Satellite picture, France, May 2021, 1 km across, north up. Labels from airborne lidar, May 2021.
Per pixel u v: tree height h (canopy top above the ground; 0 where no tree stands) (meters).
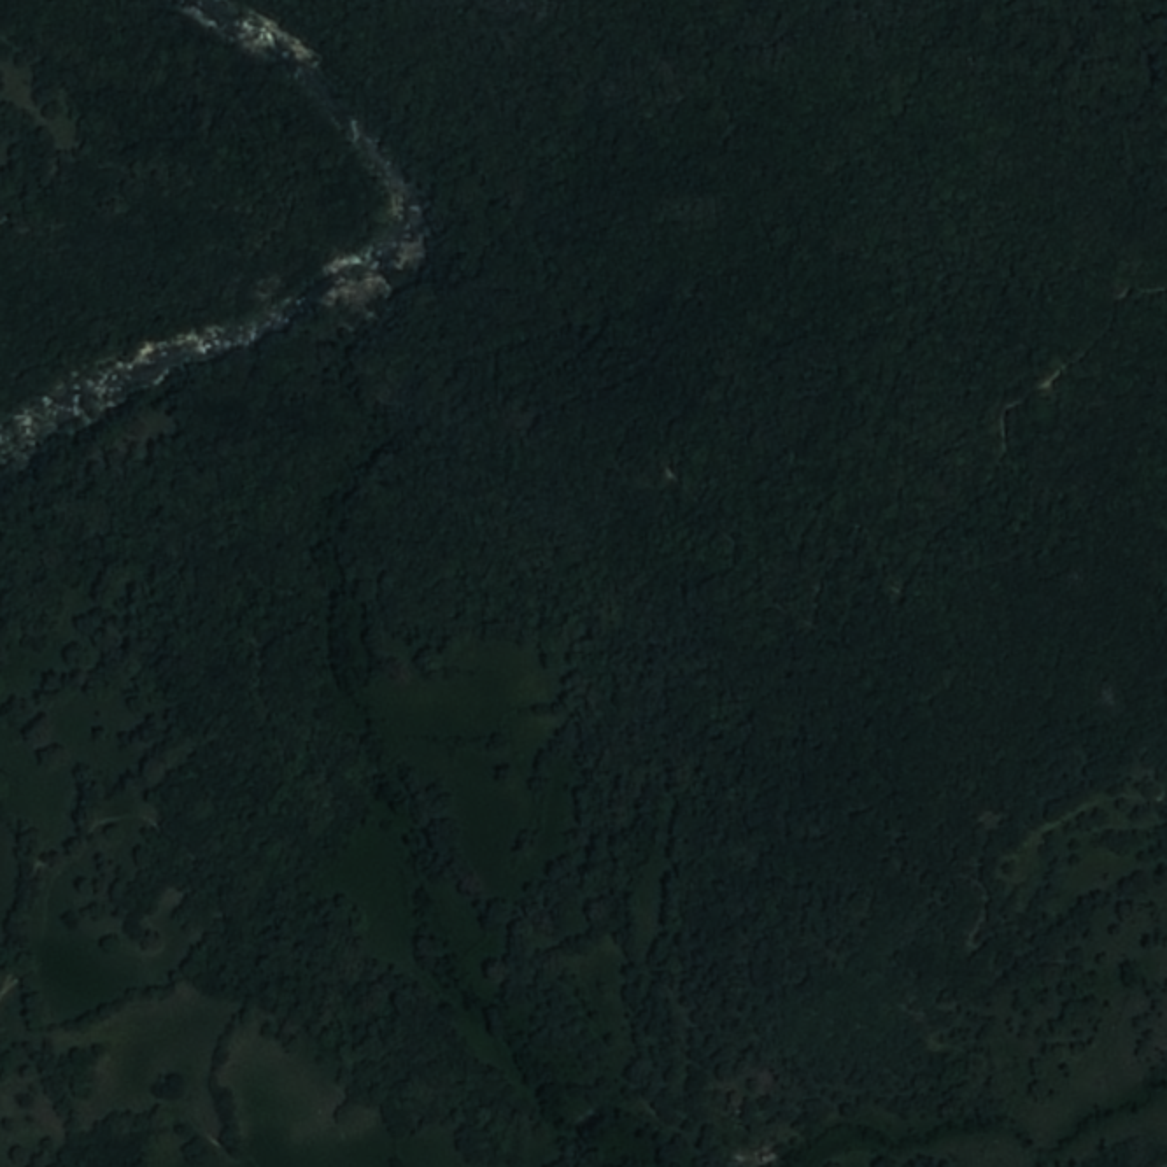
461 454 13
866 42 9
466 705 0
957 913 6
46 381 18
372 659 8
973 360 7
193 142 11
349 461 15
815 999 6
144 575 9
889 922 7
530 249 10
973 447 9
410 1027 11
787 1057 7
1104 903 10
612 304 10
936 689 7
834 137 8
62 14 15
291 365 19
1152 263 11
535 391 9
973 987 11
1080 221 7
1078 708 13
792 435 12
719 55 15
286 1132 0
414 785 12
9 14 10
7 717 12
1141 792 10
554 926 12
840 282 9
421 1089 16
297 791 9
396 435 11
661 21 11
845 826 10
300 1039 13
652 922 0
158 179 11
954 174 7
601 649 11
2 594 13
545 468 6
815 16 16
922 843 12
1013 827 10
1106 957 11
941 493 10
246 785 8
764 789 13
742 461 7
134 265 10
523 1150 16
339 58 14
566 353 11
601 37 9
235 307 6
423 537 10
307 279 9
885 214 9
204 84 14
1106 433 11
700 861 14
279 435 13
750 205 10
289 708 17
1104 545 11
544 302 16
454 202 18
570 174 11
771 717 17
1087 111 19
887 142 10
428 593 11
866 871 13
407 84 16
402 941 0
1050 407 7
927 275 8
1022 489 6
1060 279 7
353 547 11
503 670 0
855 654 14
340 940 11
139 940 7
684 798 13
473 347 13
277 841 10
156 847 11
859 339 12
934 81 8
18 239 7
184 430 10
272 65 7
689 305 8
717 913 10
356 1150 0
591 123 9
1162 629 11
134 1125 11
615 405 10
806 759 14
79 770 9
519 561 16
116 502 14
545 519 6
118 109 14
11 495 18
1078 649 12
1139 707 14
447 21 14
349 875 0
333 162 13
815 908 10
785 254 7
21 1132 0
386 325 12
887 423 10
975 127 7
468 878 16
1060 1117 0
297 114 13
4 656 13
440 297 13
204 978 12
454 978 18
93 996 0
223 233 6
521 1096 17
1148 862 10
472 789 0
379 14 15
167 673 16
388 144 12
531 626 14
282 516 12
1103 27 22
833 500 12
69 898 0
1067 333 10
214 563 11
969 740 9
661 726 15
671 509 6
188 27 8
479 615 8
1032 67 16
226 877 11
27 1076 10
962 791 10
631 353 12
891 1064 10
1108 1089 0
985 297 11
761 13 18
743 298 8
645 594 11
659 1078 7
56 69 9
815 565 9
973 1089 10
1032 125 12
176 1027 0
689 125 8
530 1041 10
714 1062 13
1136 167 9
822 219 6
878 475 9
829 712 14
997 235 9
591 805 15
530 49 12
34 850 8
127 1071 0
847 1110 15
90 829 7
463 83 14
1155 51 21
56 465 21
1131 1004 0
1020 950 11
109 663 10
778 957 10
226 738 12
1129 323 12
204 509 12
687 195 8
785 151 9
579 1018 8
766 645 10
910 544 10
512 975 12
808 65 8
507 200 9
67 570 16
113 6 19
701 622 8
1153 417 15
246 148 12
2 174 10
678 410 10
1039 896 8
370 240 9
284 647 15
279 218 9
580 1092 12
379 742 14
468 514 9
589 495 7
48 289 8
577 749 9
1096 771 12
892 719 10
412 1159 0
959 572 10
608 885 10
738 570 10
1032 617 9
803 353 15
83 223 8
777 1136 10
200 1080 0
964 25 13
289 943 14
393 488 13
